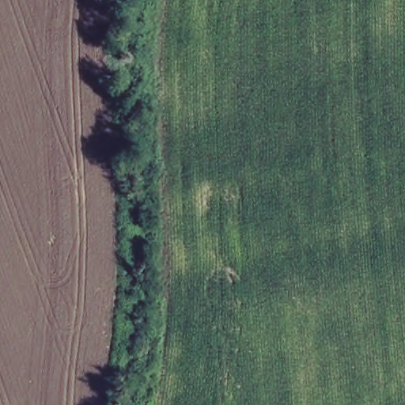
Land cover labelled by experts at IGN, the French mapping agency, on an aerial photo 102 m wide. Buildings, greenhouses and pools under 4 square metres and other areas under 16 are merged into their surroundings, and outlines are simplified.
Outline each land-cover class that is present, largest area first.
<instances>
[{"label":"agricultural land","instance_id":"1","mask_svg":"<svg viewBox=\"0 0 405 405\"><path fill-rule=\"evenodd\" d=\"M120 27L115 17V3L112 0H0V405H108L106 381L109 377L117 378L119 367L111 364L115 339V305L119 304V299H115L117 263L114 256V252H119V209H114L117 195L120 191V182L112 168V160L123 150L130 149L131 139L127 131L112 122L114 112L120 106L109 93V85L115 81V73L106 65V54L103 49L108 43V33ZM158 81L161 100L160 136L163 144L161 155L165 161L161 172L160 209L163 212L165 231L163 261L166 331L157 405H405V0H163L158 35Z\"/></svg>","mask_w":405,"mask_h":405},{"label":"herbaceous vegetation","instance_id":"2","mask_svg":"<svg viewBox=\"0 0 405 405\"><path fill-rule=\"evenodd\" d=\"M147 6L144 22H141L133 33H142L138 43L152 47V51L144 54L149 57L150 62L142 65L144 76L141 84L144 85V95L139 100L142 101V114L149 115L147 123L152 127V136L150 163L141 172L144 180V198L141 202L152 210L153 215H157L158 225L153 228V234L138 237L141 228L133 225L131 221V206L127 199L117 195L114 209H119V252H114V256L117 263L115 299H119V304L115 305V339L111 364L119 367L130 370L128 378L131 380L136 377L141 383L139 392L134 391L131 394V400L136 405H157L166 331L163 261L165 231L163 212L160 209L161 172L165 161L161 155L163 144L160 136L161 100L158 81V35L163 0H142ZM149 242L152 244V256L149 259L157 269V288L161 293L155 301L150 294L144 296V291L138 285V271L146 261L144 245ZM139 301L146 302L150 329L141 339V350L128 354L127 346L133 332V324L127 316L133 305Z\"/></svg>","mask_w":405,"mask_h":405},{"label":"deciduous trees","instance_id":"3","mask_svg":"<svg viewBox=\"0 0 405 405\"><path fill-rule=\"evenodd\" d=\"M115 3V17L120 27L108 33V43L103 49L106 54V65L115 73V81L109 85V93L120 106L114 112L112 122L127 131L131 139L130 149L123 150L112 160V168L120 182V191L117 195L127 199L131 206V221L133 225L141 228L138 237L153 234V228L158 225L157 215H153L152 210L141 202L144 198V180L141 172L150 163L152 136V127L147 123L149 115L142 114V101L139 100L144 95V85L141 84L144 76L142 65L150 62L149 57L144 54L152 51V47L138 43L142 33H133L141 22H144L147 6L142 0H112ZM146 261L138 271V285L144 291V296L150 294L155 301L161 293L157 288V269L149 259L152 256V244L149 242L144 245ZM146 302L139 301L133 305L127 316L133 324V332L127 346L128 354L141 350V339L150 329ZM130 370L119 367L117 378L109 377L106 381L108 405H136L131 400V394L134 391L139 392L141 383L136 377L131 380L128 378Z\"/></svg>","mask_w":405,"mask_h":405}]
</instances>
